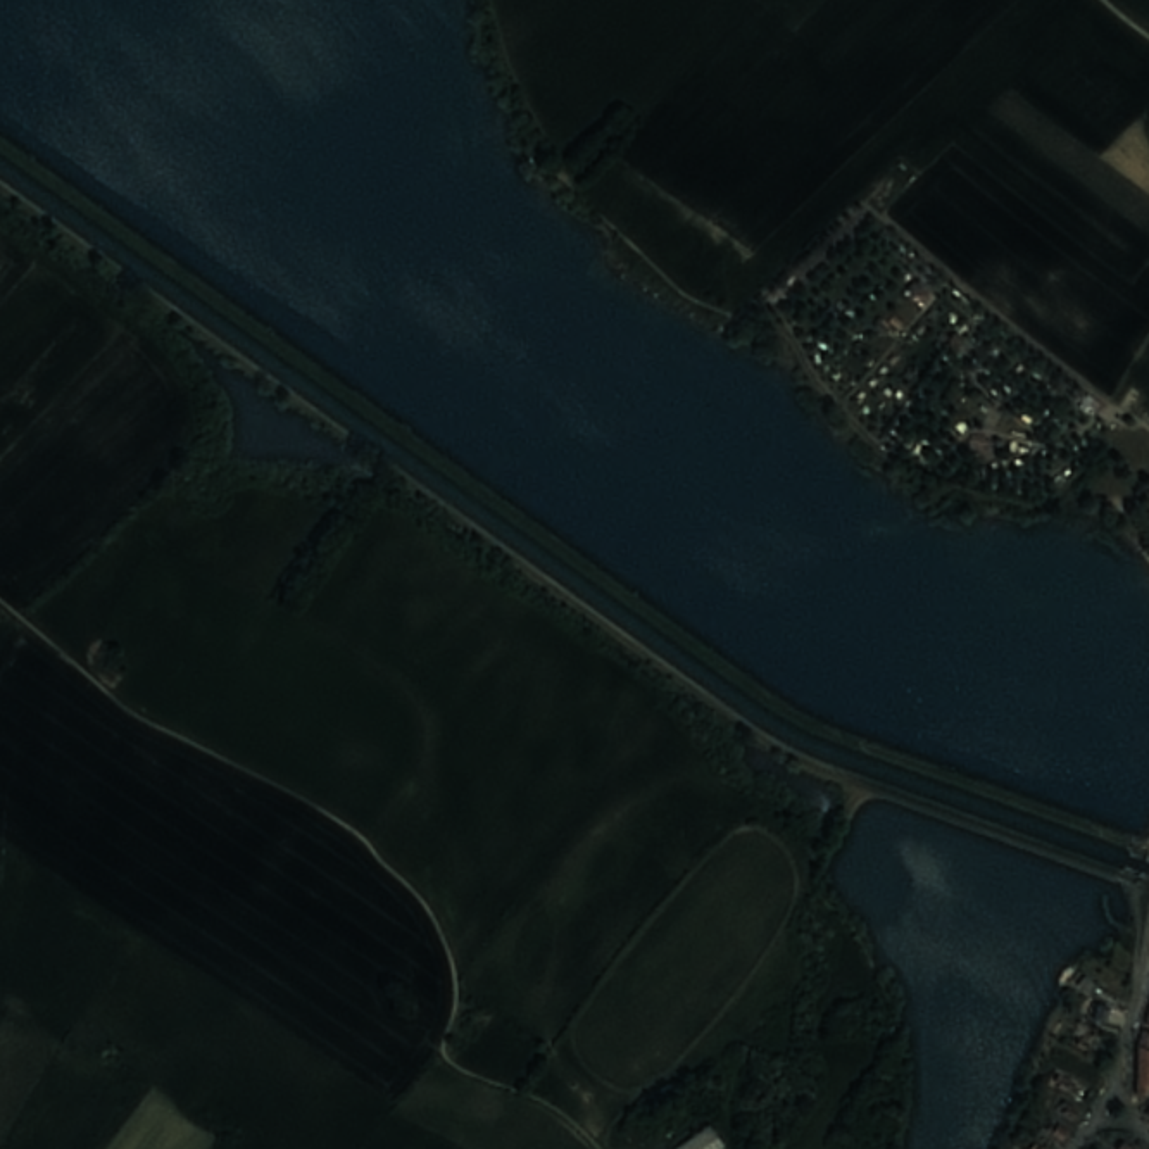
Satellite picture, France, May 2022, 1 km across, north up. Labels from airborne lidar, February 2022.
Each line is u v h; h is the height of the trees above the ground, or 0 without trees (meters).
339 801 0
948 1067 0
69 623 0
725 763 6
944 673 0
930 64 0
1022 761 0
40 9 0
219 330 0
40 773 0
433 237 0
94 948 0
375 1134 0
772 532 0
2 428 0
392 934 0
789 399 0
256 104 0
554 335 0
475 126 0
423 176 0
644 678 0
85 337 0
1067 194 0
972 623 0
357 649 0
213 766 0
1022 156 0
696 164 0
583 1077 0
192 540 0
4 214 9
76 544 0
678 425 0
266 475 6
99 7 0
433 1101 0
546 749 0
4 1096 0
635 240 0
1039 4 0
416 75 0
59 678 0
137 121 0
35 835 0
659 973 0
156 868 0
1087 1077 0
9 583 0
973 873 0
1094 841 0
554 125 0
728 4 0
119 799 0
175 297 0
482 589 0
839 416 16
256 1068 0
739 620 0
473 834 0
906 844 0
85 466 0
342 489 14
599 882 0
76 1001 0
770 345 23
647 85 0
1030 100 0
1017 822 0
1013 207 0
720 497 0
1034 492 12
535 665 0
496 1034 0
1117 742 0
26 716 0
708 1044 0
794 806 7
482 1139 0
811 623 0
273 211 0
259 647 0
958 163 0
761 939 0
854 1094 11
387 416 0
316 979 0
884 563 0
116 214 0
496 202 0
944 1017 0
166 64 0
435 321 0
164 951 0
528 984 0
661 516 0
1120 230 0
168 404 0
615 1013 0
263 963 0
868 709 0
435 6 0
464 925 0
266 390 18
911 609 0
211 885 0
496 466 0
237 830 0
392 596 0
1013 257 0
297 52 0
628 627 0
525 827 0
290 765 0
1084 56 0
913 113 0
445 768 0
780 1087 8
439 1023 0
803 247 0
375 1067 0
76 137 0
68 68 0
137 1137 0
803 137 0
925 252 0
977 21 0
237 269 0
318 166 0
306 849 0
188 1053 0
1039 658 0
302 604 13
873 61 0
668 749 0
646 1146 0
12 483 0
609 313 0
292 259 0
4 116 0
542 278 0
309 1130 0
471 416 0
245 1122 0
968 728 0
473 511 0
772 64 0
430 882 0
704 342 0
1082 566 0
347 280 0
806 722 0
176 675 0
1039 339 0
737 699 0
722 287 0
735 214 0
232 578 0
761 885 0
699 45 0
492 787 0
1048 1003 0
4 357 0
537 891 0
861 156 0
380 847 0
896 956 0
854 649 0
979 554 0
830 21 0
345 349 0
